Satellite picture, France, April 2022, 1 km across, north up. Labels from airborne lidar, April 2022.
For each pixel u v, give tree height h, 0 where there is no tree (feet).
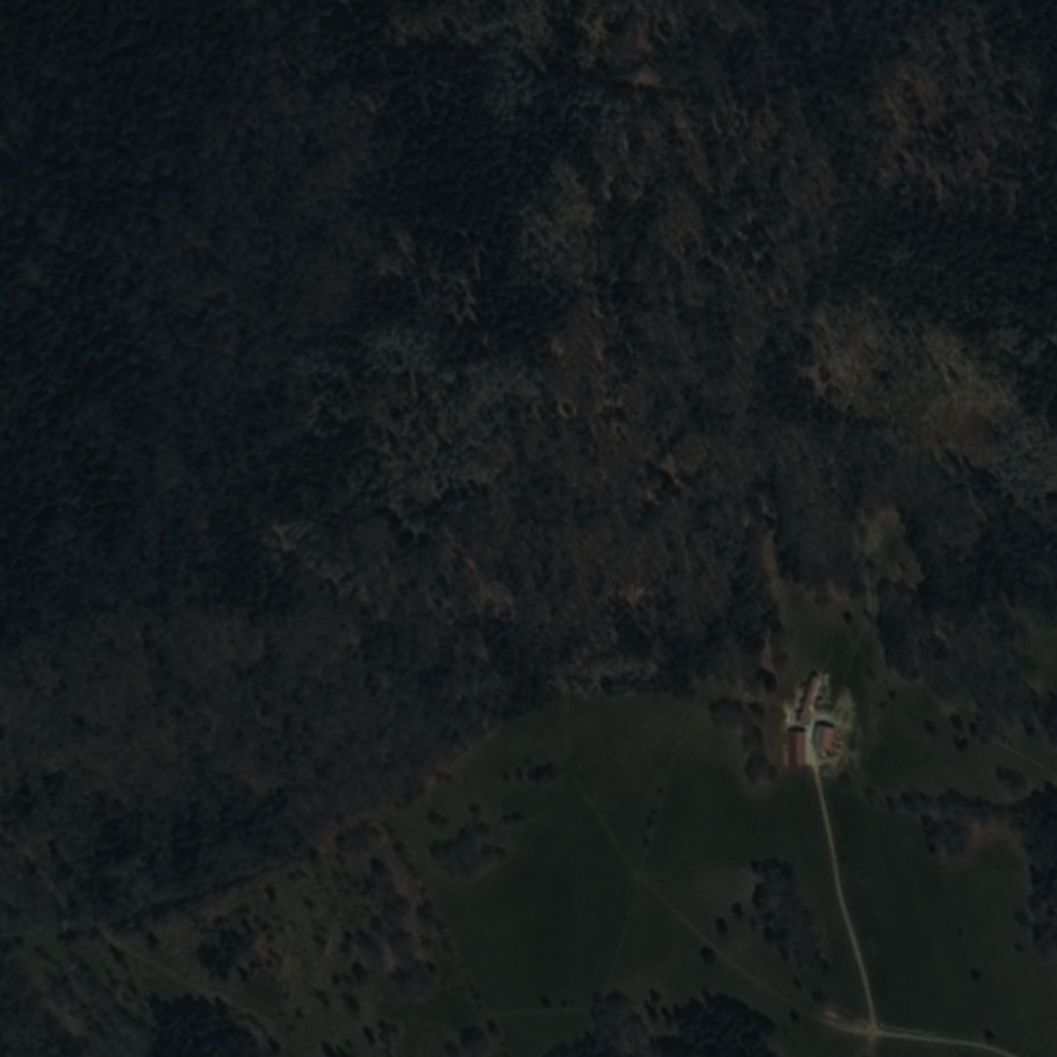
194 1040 64
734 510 48
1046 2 96
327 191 60
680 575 69
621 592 59
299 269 64
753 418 77
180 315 80
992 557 99
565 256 74
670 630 58
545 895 0
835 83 84
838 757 0
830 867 0
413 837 0
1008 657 105
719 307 88
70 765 41
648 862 0
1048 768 0
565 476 57
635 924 0
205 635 67
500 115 71
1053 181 99
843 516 96
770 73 80
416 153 60
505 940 0
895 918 0
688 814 0
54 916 66
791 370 102
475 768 0
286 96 60
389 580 64
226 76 78
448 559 57
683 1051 84
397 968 0
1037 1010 0
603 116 74
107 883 57
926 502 78
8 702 62
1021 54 79
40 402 75
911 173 102
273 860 59
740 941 0
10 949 65
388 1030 43
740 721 58
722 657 73
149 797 70
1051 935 74
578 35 32
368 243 54
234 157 71
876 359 101
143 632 64
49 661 54
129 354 72
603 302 57
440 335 81
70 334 60
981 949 0
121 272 77
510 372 72
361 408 35
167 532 74
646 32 79
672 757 0
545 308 91
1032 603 91
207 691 59
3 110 64
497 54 60
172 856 70
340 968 0
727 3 86
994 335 66
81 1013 60
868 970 0
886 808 27
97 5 100
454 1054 45
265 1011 0
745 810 0
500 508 62
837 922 0
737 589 63
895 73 81
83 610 83
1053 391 87
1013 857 0
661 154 56
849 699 0
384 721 80
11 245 102
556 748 0
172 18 98
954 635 94
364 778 77
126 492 82
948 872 0
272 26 65
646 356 68
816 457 85
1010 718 75
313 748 64
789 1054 0
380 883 50
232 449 55
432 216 73
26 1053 68
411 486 52
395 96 55
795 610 0
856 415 34
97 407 82
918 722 0
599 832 0
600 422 77
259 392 64
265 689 57
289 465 48
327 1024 0
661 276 70
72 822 42
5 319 80
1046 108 86
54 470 83
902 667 55
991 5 92
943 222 57
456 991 0
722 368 86
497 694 64
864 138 83
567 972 0
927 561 83
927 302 83
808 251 76
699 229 78
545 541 71
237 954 63
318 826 58
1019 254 85
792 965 0
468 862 57
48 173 88
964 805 67
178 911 58
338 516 72
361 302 57
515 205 95
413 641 58
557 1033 0
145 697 83
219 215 72
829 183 66
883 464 98
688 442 73
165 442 44
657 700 0
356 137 63
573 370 67
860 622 0
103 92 98
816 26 82
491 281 60
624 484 71
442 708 73
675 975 0
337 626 73
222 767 70
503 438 64
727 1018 78
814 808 0
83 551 73
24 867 66
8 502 91
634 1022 65
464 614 54
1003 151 92
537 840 0
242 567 65
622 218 88
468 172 72
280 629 55
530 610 71
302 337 56
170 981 0
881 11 93
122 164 75
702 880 0
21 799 44
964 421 0
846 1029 0
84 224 87
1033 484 100
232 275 73
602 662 86
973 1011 0
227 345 55
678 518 63
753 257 87
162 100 93
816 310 83
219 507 57
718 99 86
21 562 74
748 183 73
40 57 73
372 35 101
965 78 49
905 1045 0
